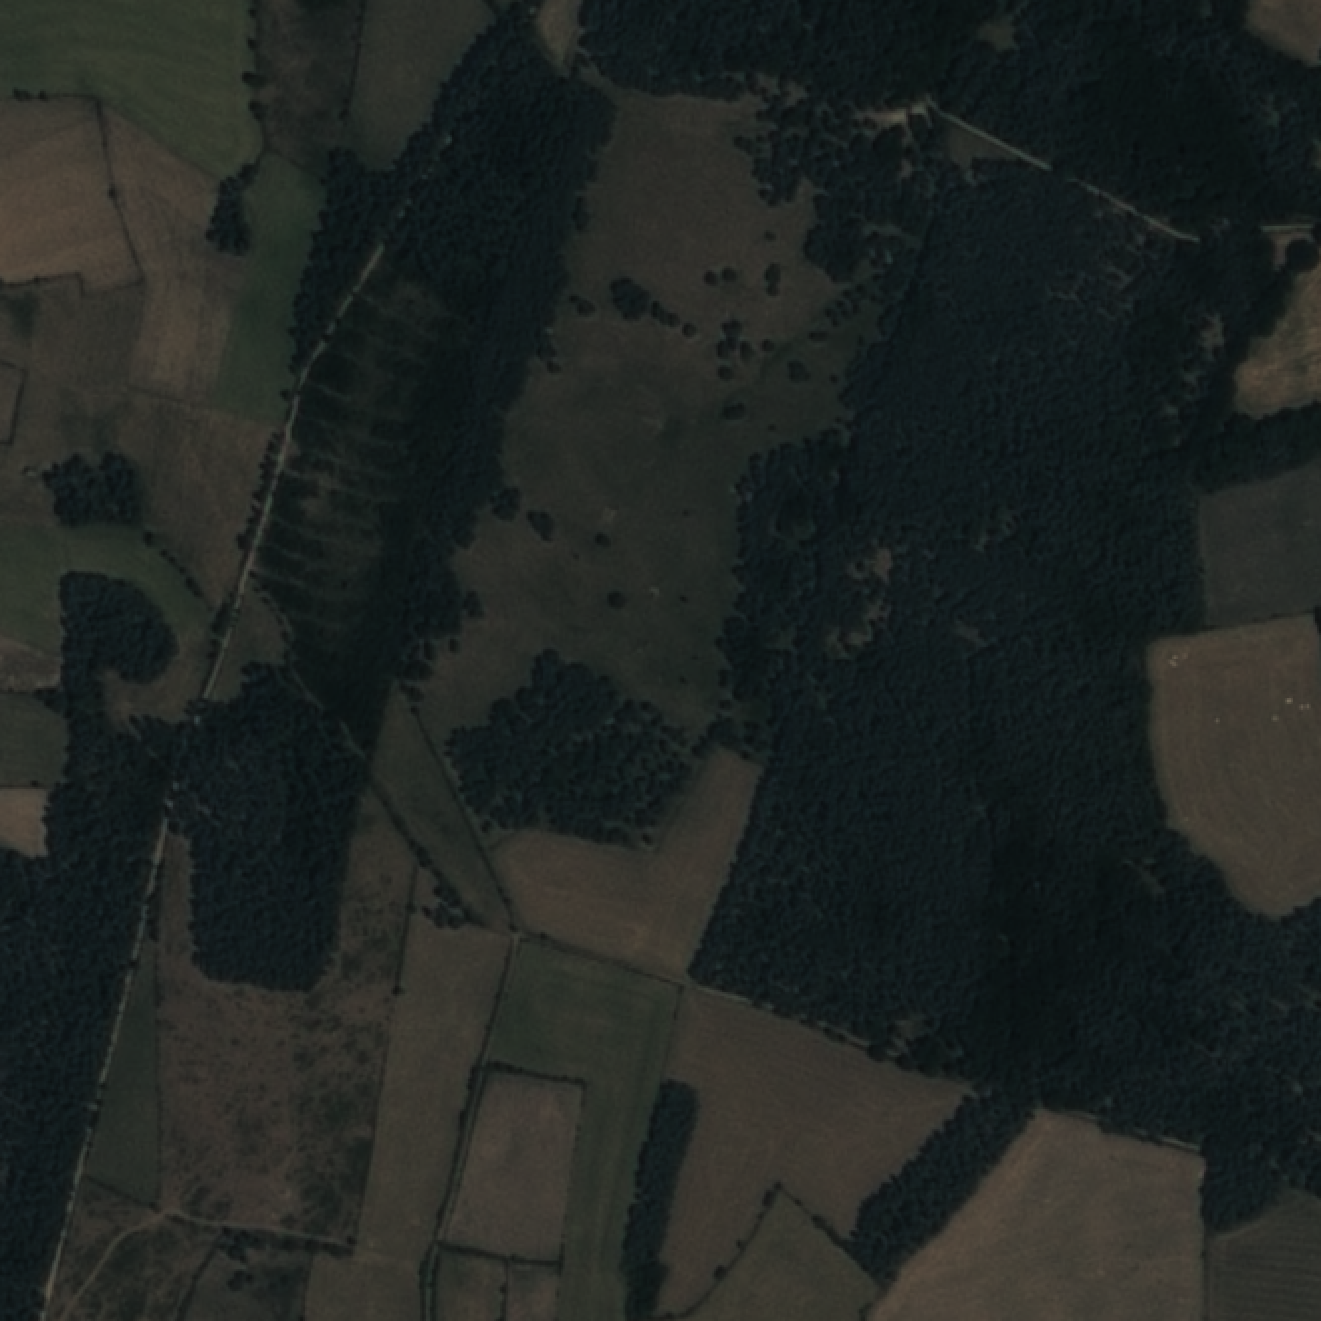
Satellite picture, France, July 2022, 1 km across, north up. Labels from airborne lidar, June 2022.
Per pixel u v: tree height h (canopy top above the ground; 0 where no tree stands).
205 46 0
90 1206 0
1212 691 0
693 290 0
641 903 0
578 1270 0
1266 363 0
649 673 0
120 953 17
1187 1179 0
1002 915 20
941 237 11
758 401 0
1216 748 0
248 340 0
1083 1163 0
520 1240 0
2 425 0
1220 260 20
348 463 0
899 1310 0
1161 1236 0
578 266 0
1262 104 16
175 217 0
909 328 16
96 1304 0
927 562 11
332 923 17
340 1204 0
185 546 0
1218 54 18
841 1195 0
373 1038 0
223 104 0
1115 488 17
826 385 0
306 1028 0
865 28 22
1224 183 23
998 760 13
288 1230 0
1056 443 14
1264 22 0
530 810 14
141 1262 0
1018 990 25
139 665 19
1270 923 8
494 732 14
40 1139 18
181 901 0
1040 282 14
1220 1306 0
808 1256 0
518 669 0
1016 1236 0
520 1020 0
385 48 0
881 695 17
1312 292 0
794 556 12
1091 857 11
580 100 10
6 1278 18
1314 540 0
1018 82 16
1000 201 15
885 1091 0
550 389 0
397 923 0
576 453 0
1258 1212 20
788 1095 0
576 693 16
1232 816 0
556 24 0
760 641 16
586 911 0
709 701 0
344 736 19
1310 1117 22
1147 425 11
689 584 0
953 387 17
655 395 0
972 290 16
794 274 0
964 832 16
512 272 14
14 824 0
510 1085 0
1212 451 24
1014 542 11
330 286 19
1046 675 17
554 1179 0
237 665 0
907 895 18
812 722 16
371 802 0
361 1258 0
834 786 20
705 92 13
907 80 19
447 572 10
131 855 10
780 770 16
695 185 0
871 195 12
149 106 0
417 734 0
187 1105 0
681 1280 0
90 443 0
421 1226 0
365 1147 0
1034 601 11
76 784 7
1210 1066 20
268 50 0
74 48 0
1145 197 16
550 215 12
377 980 0
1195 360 8
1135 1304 0
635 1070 0
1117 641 17
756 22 19
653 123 0
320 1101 0
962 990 19
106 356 0
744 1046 0
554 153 14
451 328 7
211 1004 0
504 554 0
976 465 16
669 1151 13
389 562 6
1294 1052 21
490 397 11
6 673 0
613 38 17
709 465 0
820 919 18
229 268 0
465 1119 6
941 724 18
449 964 0
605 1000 0
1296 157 19
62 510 13
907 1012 17
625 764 12
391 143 0
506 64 17
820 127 11
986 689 15
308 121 0
